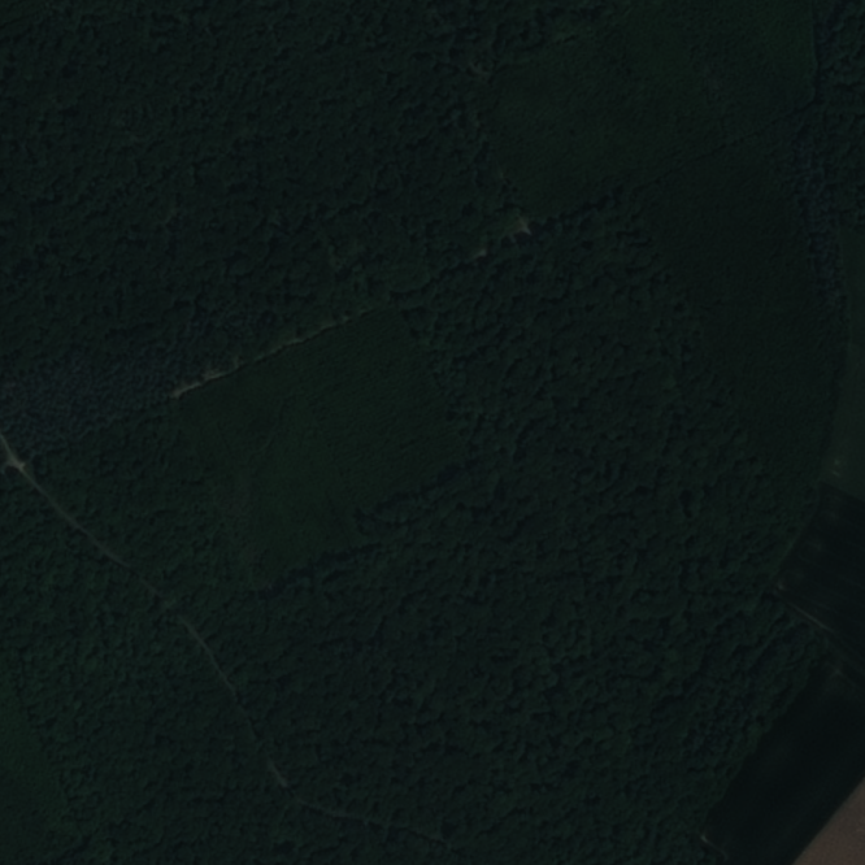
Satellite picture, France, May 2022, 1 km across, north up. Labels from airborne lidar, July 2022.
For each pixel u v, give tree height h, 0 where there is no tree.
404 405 7
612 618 27
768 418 17
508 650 26
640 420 32
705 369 27
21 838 10
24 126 26
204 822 27
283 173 22
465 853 22
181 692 27
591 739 30
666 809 33
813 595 0
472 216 31
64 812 12
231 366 25
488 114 11
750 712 29
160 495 25
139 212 21
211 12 23
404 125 23
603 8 24
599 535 29
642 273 30
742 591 22
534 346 31
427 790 31
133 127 15
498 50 16
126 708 25
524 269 31
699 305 15
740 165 16
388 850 29
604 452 32
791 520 17
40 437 34
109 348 25
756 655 21
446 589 31
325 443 6
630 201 20
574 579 28
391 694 27
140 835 24
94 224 26
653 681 29
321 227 28
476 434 24
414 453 8
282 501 6
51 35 17
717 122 9
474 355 8
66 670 22
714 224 15
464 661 30
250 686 27
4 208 24
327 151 23
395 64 24
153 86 22
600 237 28
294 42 18
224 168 24
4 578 23
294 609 26
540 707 21
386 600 27
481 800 30
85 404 32
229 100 20
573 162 9
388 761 28
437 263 26
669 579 29
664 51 9
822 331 20
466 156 23
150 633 27
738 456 25
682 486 28
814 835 0
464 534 29
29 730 11
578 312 33
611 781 22
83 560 24
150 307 28
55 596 29
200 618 24
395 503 22
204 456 7
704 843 0
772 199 17
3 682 13
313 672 29
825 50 23
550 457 29
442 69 23
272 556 8
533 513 30
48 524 23
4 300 27
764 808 0
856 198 20
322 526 7
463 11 23
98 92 21
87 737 23
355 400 6
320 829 27
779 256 22
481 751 32
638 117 13
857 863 0
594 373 33
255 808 25
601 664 33
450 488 29
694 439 32
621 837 32
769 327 18
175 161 22
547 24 26
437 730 29
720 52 13
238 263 28
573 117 9
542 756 28
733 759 28
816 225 32
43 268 26
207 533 24
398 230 24
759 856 0
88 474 25
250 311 27
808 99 9
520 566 29
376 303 25
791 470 18
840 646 0
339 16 19
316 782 25
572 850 27
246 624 23
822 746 0
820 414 17
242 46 19
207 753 30
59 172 22
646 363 32
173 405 11
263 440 8
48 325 25
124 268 29
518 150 9
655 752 31
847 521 0
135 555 19
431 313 26
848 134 25
